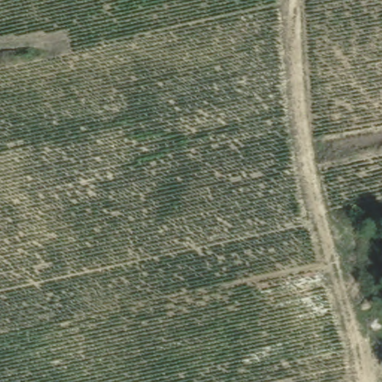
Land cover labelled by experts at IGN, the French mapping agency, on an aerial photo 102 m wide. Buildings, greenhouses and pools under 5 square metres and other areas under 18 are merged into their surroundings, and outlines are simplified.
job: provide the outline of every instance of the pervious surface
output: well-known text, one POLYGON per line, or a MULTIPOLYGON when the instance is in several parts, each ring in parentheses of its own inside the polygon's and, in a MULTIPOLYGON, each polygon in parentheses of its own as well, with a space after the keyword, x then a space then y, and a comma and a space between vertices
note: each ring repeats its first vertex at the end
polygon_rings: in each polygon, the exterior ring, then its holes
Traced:
POLYGON ((330 260, 331 254, 336 251, 325 209, 315 161, 312 136, 312 128, 306 115, 310 107, 306 106, 304 100, 301 16, 297 15, 295 18, 295 37, 291 49, 292 97, 297 127, 295 137, 300 145, 307 198, 321 233, 325 261, 330 260))
POLYGON ((349 358, 343 360, 345 382, 382 382, 382 363, 379 363, 373 354, 370 340, 361 336, 357 318, 346 324, 354 364, 349 363, 349 358))

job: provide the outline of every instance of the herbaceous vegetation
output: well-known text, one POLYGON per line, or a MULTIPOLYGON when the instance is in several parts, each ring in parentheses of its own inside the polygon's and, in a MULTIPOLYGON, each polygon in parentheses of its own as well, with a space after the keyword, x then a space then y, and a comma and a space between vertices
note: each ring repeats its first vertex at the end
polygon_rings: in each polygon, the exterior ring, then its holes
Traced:
POLYGON ((312 136, 315 161, 322 163, 382 148, 382 125, 370 125, 369 128, 361 130, 342 131, 319 137, 312 136))
POLYGON ((0 36, 0 49, 24 46, 39 49, 52 49, 52 45, 58 40, 69 39, 67 30, 0 36))
POLYGON ((297 273, 300 270, 304 272, 303 278, 298 281, 285 281, 286 288, 291 289, 292 294, 297 294, 297 298, 279 301, 279 306, 304 303, 318 315, 331 313, 334 328, 342 343, 342 351, 325 352, 322 358, 331 358, 331 355, 337 354, 343 360, 349 358, 349 363, 354 364, 346 324, 357 318, 351 304, 352 298, 360 292, 357 282, 352 278, 352 269, 355 267, 355 231, 342 207, 330 204, 325 209, 336 251, 331 254, 330 260, 325 261, 321 233, 307 198, 300 145, 295 137, 297 127, 292 97, 291 49, 295 37, 295 18, 297 15, 301 16, 304 1, 301 0, 276 0, 276 48, 279 52, 281 79, 279 91, 284 107, 282 122, 288 133, 286 143, 291 155, 291 169, 286 169, 285 175, 294 175, 295 200, 300 209, 298 222, 309 231, 315 252, 315 263, 297 266, 295 260, 291 260, 284 269, 279 270, 281 275, 297 273))

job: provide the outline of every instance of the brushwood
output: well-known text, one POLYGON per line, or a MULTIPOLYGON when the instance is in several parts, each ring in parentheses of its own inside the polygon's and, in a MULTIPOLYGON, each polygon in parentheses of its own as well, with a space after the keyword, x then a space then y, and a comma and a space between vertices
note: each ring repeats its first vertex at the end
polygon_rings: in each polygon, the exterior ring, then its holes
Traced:
POLYGON ((39 49, 24 46, 0 49, 0 67, 6 67, 6 63, 16 61, 21 55, 27 61, 33 61, 40 55, 39 49))

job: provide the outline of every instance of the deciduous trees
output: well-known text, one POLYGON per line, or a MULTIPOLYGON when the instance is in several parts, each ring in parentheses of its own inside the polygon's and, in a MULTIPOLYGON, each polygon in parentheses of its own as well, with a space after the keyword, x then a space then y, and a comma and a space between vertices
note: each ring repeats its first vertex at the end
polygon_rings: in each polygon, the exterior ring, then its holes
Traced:
POLYGON ((376 200, 372 192, 364 191, 357 198, 357 209, 352 209, 346 204, 342 207, 355 231, 355 267, 352 269, 352 278, 357 282, 360 292, 352 298, 351 304, 357 318, 361 336, 370 340, 373 354, 379 363, 382 363, 382 200, 376 200))

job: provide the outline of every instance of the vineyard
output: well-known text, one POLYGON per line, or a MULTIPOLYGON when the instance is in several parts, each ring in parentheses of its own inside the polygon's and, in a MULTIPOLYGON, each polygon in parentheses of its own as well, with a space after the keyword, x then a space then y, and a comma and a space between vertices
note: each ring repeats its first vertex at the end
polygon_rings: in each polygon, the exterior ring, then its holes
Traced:
POLYGON ((330 204, 342 207, 346 204, 352 209, 357 209, 357 198, 364 191, 372 192, 376 200, 382 200, 382 148, 322 163, 315 161, 325 209, 330 204))
POLYGON ((310 107, 306 115, 312 128, 312 136, 319 137, 342 131, 361 130, 369 128, 370 125, 382 125, 382 0, 301 0, 304 1, 301 16, 304 100, 306 106, 310 107))
POLYGON ((295 260, 297 266, 315 263, 315 252, 309 231, 298 222, 300 209, 295 200, 294 175, 285 175, 286 169, 291 169, 291 155, 286 143, 288 133, 282 122, 284 107, 279 91, 281 79, 279 52, 276 48, 276 0, 0 0, 0 36, 67 30, 69 39, 58 40, 52 45, 52 49, 39 49, 40 55, 33 61, 27 61, 21 55, 16 61, 6 63, 6 67, 0 67, 0 382, 345 382, 343 360, 337 354, 331 355, 331 358, 322 358, 325 352, 342 351, 342 343, 334 328, 331 313, 318 315, 304 303, 279 306, 279 301, 297 298, 297 294, 292 294, 291 289, 286 288, 285 281, 298 281, 303 278, 304 272, 300 270, 297 273, 281 275, 279 270, 284 269, 291 260, 295 260))

